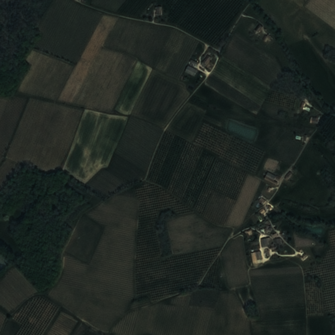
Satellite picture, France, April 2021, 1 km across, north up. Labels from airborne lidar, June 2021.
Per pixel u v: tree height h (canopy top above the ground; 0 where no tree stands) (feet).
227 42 56
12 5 58
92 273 0
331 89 0
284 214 37
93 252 0
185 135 0
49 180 86
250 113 0
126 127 0
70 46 0
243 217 0
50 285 65
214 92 0
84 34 0
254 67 0
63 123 0
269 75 0
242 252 0
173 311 0
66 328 0
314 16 0
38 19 51
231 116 0
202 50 0
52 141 0
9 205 79
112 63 0
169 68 0
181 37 0
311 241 0
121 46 0
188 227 0
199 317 0
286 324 0
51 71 0
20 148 0
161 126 0
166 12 35
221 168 18
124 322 0
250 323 0
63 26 0
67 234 62
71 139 0
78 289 0
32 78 0
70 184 37
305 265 0
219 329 0
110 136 0
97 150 0
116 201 0
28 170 79
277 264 0
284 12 0
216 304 0
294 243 0
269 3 0
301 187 0
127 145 0
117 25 0
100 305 0
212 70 0
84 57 0
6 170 0
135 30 0
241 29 0
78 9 0
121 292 0
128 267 0
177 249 0
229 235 0
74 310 0
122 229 0
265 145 0
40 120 0
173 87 0
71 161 0
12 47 71
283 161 0
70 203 51
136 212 0
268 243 0
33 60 0
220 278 0
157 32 0
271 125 0
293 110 32
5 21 30
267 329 0
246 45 0
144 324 0
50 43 0
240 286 0
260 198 0
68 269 0
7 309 0
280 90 44
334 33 0
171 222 0
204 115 0
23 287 0
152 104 0
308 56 0
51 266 64
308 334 0
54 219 68
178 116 0
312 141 0
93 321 0
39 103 0
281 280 0
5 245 93
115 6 0
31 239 77
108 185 0
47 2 55
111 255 0
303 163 0
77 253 0
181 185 21
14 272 0
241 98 0
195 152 18
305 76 28
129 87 0
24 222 72
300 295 0
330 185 37
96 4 0
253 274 0
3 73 80
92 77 0
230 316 0
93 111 0
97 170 0
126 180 0
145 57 0
